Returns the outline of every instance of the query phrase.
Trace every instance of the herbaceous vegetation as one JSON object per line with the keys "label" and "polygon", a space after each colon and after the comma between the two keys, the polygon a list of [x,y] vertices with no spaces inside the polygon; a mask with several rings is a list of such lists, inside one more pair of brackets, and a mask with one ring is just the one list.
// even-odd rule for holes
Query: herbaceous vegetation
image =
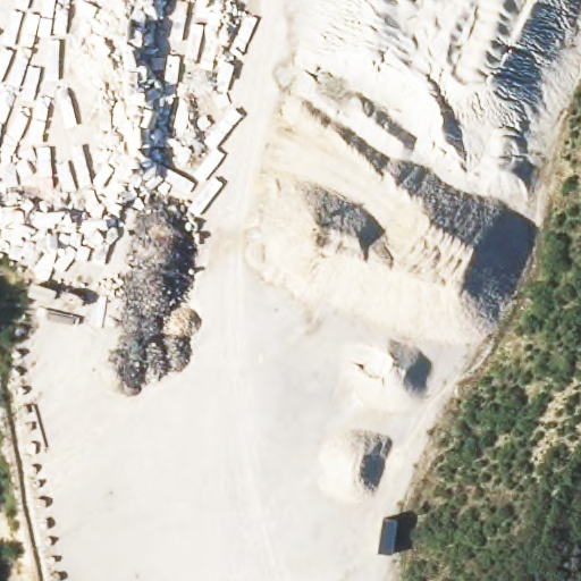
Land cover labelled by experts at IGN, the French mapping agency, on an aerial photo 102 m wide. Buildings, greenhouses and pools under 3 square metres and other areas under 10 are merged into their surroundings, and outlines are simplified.
{"label": "herbaceous vegetation", "polygon": [[[536,227],[536,243],[517,279],[517,286],[499,304],[499,318],[486,322],[486,338],[492,343],[488,359],[472,377],[458,381],[458,397],[449,397],[445,402],[440,418],[436,418],[433,427],[427,431],[429,443],[438,445],[438,456],[433,458],[431,468],[422,474],[422,479],[411,481],[413,495],[404,497],[397,504],[399,513],[411,511],[415,515],[415,529],[411,531],[411,549],[397,551],[397,554],[402,572],[399,581],[524,581],[524,576],[529,574],[538,574],[542,551],[547,551],[554,545],[554,522],[561,508],[558,492],[572,483],[572,477],[581,470],[581,172],[572,175],[563,184],[563,188],[549,195],[542,225]],[[531,463],[533,447],[542,440],[542,436],[549,429],[558,433],[556,447],[547,452],[542,463]]]}

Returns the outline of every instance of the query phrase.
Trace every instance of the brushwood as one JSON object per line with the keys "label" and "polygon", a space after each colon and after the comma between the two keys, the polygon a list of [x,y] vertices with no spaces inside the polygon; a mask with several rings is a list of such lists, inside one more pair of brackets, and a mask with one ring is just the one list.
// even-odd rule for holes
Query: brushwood
{"label": "brushwood", "polygon": [[23,281],[9,284],[5,277],[0,277],[0,331],[5,327],[11,327],[20,313],[30,309],[32,300]]}
{"label": "brushwood", "polygon": [[558,492],[561,508],[554,522],[554,545],[547,551],[542,551],[538,574],[529,574],[524,576],[524,581],[581,581],[581,470],[572,477],[572,483]]}

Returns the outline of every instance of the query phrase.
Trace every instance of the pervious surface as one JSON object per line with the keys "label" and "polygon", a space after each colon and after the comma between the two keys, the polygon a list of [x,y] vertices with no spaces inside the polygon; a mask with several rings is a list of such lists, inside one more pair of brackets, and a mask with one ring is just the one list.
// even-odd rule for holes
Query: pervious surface
{"label": "pervious surface", "polygon": [[542,436],[542,440],[533,447],[531,463],[542,463],[547,452],[556,447],[558,433],[549,429]]}
{"label": "pervious surface", "polygon": [[581,0],[0,0],[0,277],[5,277],[9,284],[23,281],[32,300],[30,309],[20,313],[11,327],[5,327],[0,331],[0,581],[399,581],[402,572],[397,554],[381,554],[379,540],[384,520],[393,515],[397,520],[397,551],[411,549],[411,531],[415,529],[415,515],[411,511],[399,513],[397,504],[404,497],[413,495],[411,481],[422,479],[422,474],[431,468],[433,458],[438,456],[438,445],[429,443],[427,431],[433,427],[436,418],[440,418],[445,402],[449,397],[458,397],[458,381],[472,377],[488,359],[492,343],[486,338],[486,322],[499,318],[499,304],[517,286],[517,279],[536,243],[536,227],[542,225],[549,195],[563,188],[563,184],[572,175],[581,172]]}

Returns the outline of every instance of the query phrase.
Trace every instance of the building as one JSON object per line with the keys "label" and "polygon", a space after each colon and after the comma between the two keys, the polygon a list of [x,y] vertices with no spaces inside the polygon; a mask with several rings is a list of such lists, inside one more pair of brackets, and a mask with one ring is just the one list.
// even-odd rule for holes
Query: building
{"label": "building", "polygon": [[379,540],[381,554],[397,554],[397,551],[397,520],[393,515],[384,520]]}

